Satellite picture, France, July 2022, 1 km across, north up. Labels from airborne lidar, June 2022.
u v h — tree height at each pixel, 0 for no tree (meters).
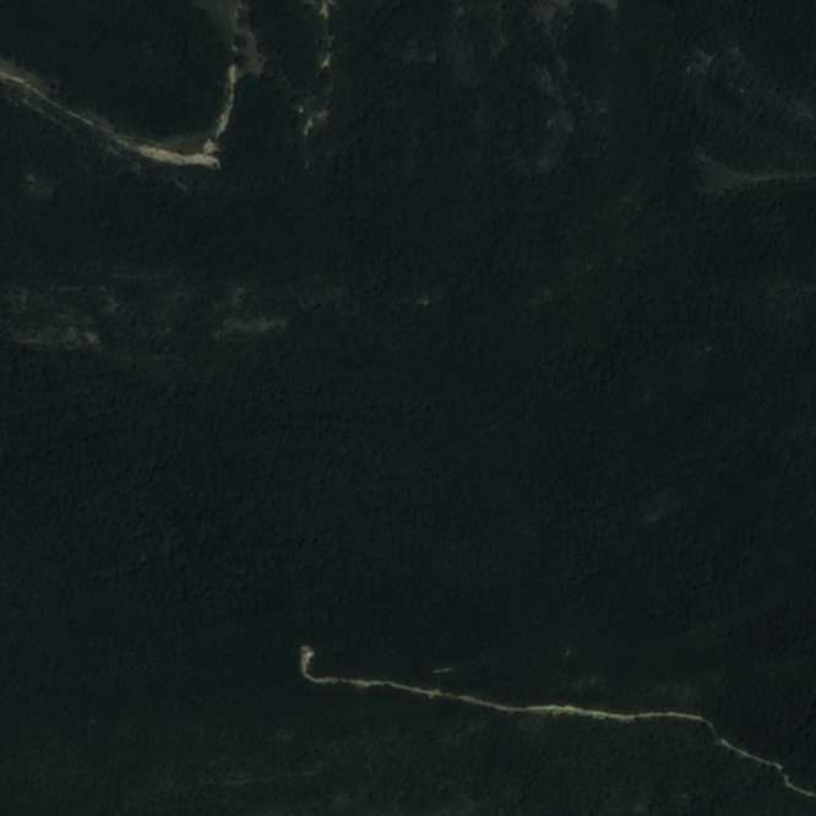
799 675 13
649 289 13
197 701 8
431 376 9
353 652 11
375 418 14
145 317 8
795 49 15
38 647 14
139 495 18
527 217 9
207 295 6
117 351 7
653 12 15
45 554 11
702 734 8
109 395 7
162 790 7
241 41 8
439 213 11
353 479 11
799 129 7
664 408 16
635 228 12
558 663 10
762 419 13
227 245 9
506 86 14
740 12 12
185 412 16
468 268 9
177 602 11
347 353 11
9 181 10
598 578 15
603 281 12
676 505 10
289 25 11
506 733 11
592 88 7
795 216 12
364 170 11
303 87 8
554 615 7
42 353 7
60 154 10
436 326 7
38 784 11
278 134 11
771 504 13
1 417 10
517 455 11
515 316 9
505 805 7
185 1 14
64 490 13
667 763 12
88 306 8
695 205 13
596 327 13
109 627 9
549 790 10
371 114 13
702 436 8
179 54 18
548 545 13
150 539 12
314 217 11
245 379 11
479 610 12
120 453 12
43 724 10
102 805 9
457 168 8
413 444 8
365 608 12
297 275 5
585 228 7
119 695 11
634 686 11
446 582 9
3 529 11
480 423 10
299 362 12
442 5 10
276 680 12
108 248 8
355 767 10
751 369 12
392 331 8
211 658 13
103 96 14
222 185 7
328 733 11
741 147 7
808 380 11
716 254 12
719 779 16
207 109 14
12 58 15
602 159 7
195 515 14
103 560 12
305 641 14
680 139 15
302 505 11
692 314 18
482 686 11
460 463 6
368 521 10
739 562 10
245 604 17
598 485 10
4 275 7
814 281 8
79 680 11
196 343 9
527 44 7
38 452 14
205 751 12
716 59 6
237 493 14
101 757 11
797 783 12
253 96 12
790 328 6
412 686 12
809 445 7
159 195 13
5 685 13
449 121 9
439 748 6
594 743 9
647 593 8
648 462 10
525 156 10
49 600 7
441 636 10
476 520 7
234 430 6
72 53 15
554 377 13
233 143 11
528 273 8
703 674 11
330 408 18
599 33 10
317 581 11
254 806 8
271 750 8
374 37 9
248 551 13
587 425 16
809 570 13
